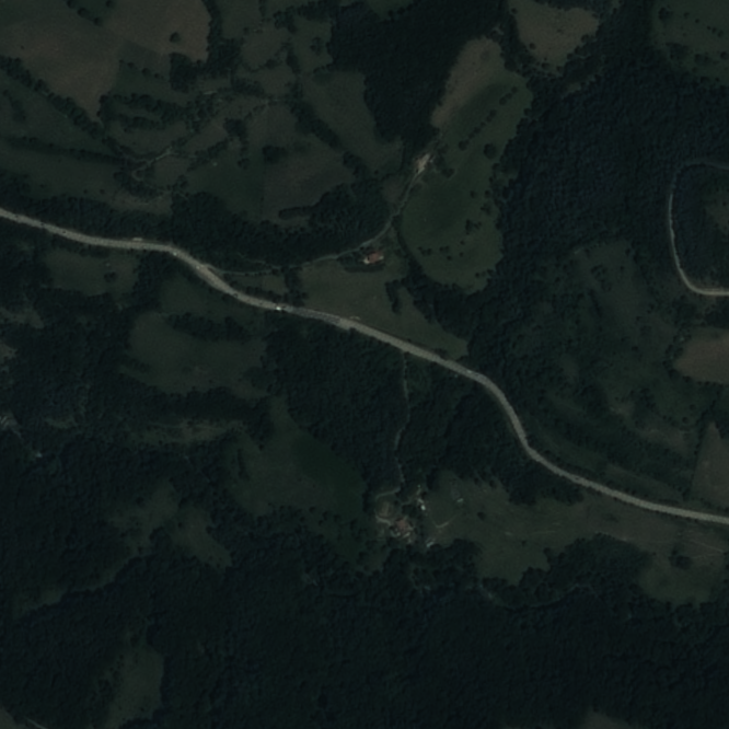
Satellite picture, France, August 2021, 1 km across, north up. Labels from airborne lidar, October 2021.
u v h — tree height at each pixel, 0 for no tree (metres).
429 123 7
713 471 0
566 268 8
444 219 0
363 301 0
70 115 9
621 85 24
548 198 15
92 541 20
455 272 0
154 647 23
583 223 16
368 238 6
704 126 24
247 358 0
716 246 11
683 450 0
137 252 9
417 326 0
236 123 6
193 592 24
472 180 0
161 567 25
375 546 6
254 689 26
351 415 13
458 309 27
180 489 19
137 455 17
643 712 29
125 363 15
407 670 19
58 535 22
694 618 19
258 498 0
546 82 18
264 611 20
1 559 20
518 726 20
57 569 27
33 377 16
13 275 12
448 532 0
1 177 15
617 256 0
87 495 19
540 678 29
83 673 28
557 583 22
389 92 14
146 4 0
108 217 9
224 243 12
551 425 13
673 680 29
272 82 0
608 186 19
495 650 33
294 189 0
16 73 18
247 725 30
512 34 13
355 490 0
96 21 9
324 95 0
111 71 0
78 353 8
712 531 0
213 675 32
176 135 0
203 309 0
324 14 14
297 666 30
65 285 0
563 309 8
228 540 21
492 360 15
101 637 24
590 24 0
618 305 0
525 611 20
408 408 17
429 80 18
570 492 13
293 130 0
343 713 28
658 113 16
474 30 17
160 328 0
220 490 19
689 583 0
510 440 12
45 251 14
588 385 12
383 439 17
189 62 8
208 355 0
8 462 29
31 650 26
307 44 0
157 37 0
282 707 32
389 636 25
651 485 0
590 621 27
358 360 16
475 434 16
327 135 15
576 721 27
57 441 13
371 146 0
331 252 12
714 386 6
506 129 0
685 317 6
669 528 0
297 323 10
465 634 29
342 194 12
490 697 28
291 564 22
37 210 13
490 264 0
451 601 24
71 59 0
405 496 18
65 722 23
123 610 26
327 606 28
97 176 0
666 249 9
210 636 29
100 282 0
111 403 14
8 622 20
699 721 38
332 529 0
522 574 0
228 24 0
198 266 0
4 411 17
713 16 0
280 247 8
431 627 27
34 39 0
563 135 24
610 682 26
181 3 0
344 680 30
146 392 12
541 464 10
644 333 8
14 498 28
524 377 13
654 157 8
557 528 0
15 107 8
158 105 10
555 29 0
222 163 0
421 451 13
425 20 16
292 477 0
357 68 14
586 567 11
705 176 12
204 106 7
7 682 35
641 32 27
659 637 26
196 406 17
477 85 0
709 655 30
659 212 11
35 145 11
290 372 18
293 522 7
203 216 14
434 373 7
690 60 0
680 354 7
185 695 35
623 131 16
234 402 15
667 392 0
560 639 27
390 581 18
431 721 29
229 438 11
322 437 14
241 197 0
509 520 0
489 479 14
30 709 23
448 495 0
